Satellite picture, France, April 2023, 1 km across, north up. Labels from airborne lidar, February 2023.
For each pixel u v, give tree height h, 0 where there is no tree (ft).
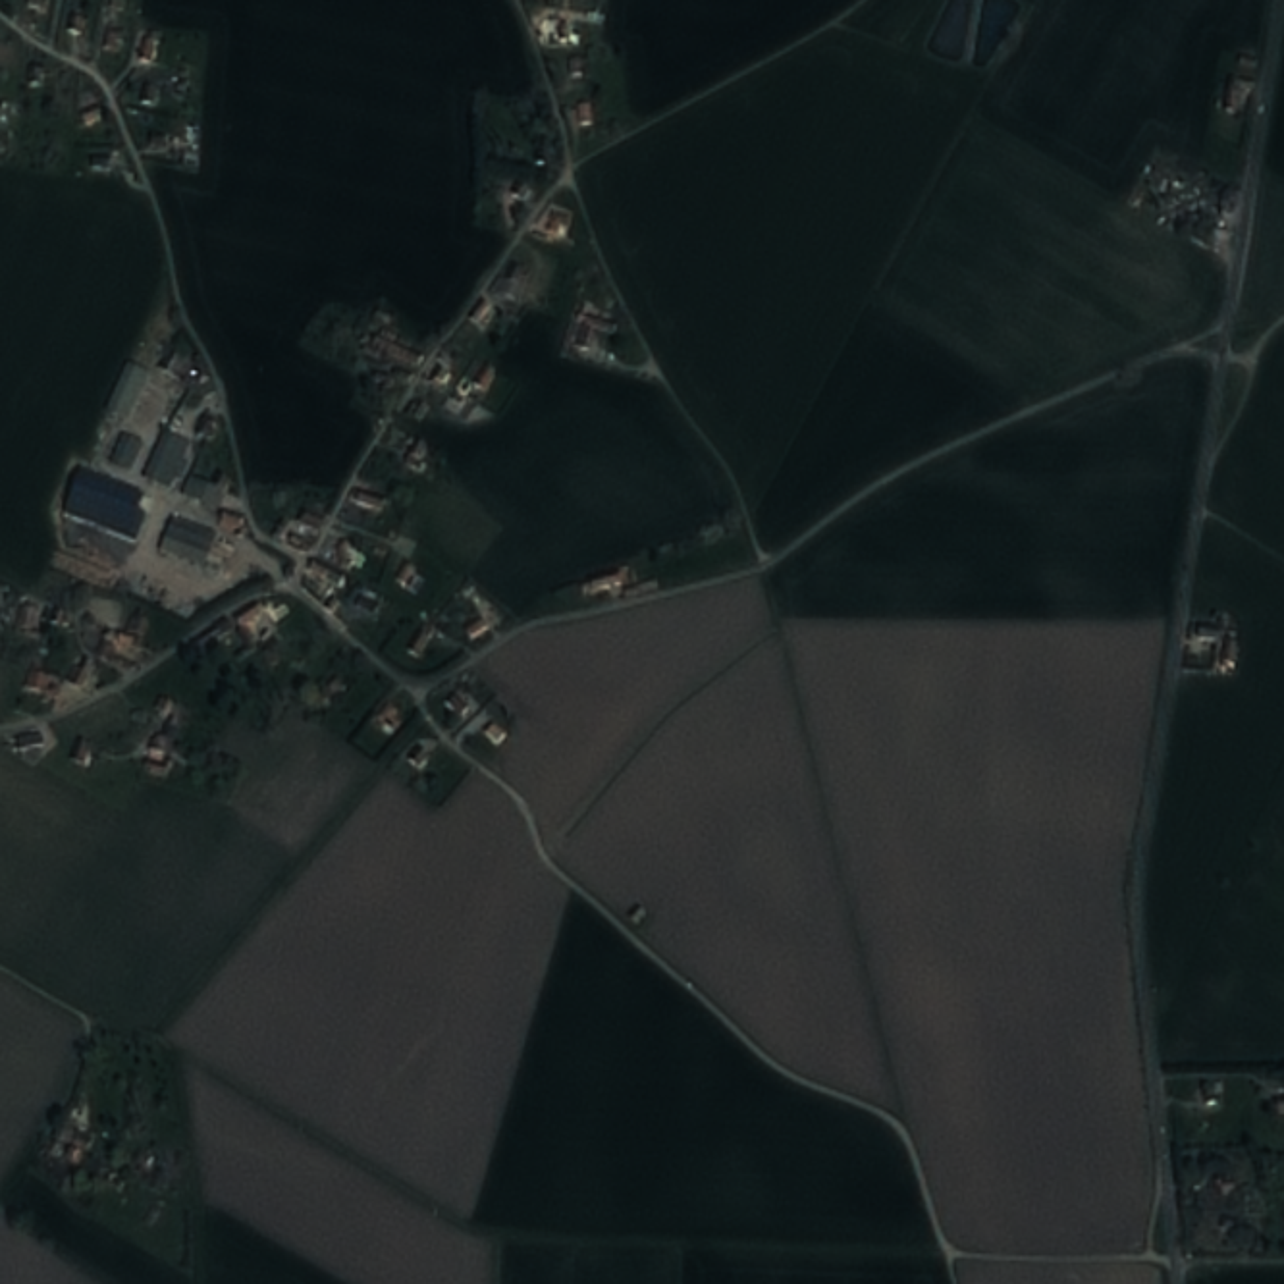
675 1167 0
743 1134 0
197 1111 0
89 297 0
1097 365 0
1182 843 0
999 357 0
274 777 0
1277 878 0
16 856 0
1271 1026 0
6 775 0
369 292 0
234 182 0
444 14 0
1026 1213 0
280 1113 0
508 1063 0
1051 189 0
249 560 0
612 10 0
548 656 0
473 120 31
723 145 0
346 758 0
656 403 0
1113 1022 0
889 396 0
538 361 0
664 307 0
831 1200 0
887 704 0
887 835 0
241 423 0
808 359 0
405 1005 0
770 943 0
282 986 0
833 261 0
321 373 0
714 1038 0
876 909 0
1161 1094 0
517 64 0
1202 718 0
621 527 0
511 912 0
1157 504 0
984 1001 0
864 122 0
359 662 39
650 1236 0
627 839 0
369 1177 0
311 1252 0
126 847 0
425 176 0
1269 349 0
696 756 0
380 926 0
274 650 40
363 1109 0
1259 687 0
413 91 0
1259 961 0
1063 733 0
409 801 0
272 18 0
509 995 0
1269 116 0
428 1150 0
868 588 0
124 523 0
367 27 0
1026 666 0
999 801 0
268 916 0
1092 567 0
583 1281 0
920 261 0
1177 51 0
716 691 0
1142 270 0
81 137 0
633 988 0
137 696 0
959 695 0
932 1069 0
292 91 0
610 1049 0
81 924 0
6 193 0
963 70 0
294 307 0
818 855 0
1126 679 0
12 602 26
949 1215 0
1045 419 0
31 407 0
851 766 0
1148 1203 0
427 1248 0
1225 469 0
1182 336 0
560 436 0
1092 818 0
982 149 0
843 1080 0
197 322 0
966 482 0
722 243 0
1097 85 0
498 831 0
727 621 0
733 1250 0
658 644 0
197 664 46
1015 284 0
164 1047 0
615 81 0
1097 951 0
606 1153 0
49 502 0
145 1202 0
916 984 0
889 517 0
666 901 0
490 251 0
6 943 0
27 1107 0
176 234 0
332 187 0
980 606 0
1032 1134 0
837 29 0
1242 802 0
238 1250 0
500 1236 0
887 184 0
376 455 23
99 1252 0
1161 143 0
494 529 0
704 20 0
